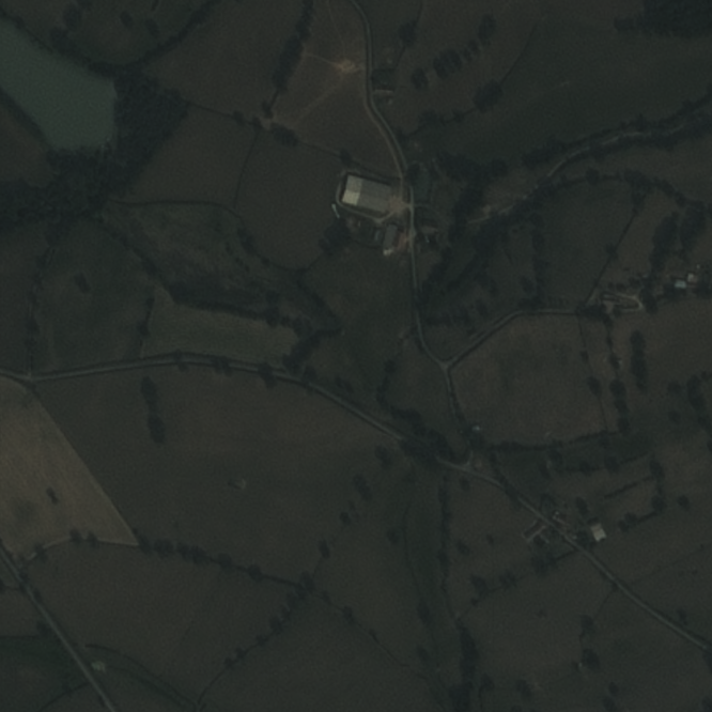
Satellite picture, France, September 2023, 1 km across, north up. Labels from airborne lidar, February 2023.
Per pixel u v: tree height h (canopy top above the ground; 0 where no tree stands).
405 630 0
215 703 0
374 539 0
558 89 0
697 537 0
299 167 0
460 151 0
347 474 0
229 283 0
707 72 0
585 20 0
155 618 0
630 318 0
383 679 0
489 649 0
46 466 0
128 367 0
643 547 0
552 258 0
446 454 14
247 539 0
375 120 0
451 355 0
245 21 0
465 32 0
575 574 0
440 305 0
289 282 0
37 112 0
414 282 0
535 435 0
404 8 0
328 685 0
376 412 0
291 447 0
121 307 0
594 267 0
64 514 0
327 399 0
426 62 0
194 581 0
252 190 0
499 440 0
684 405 0
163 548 14
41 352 0
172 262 0
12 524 0
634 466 0
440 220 0
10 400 0
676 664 0
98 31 0
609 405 0
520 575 0
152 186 0
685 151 0
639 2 0
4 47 0
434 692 0
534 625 0
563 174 0
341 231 17
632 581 0
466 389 0
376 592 0
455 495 0
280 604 0
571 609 0
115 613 0
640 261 0
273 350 0
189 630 0
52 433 0
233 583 0
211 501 0
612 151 8
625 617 0
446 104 0
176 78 0
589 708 0
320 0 0
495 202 0
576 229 0
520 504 17
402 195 0
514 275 0
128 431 0
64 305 0
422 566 0
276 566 0
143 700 0
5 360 0
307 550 0
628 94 0
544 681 0
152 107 9
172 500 0
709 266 0
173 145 0
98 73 11
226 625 0
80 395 0
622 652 0
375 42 0
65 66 0
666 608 0
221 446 0
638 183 17
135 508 0
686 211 0
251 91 0
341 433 0
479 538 0
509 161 0
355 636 0
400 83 0
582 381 0
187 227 0
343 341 0
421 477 0
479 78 0
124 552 0
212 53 0
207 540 0
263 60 0
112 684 0
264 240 0
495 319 0
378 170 0
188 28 6
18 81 0
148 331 15
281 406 0
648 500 0
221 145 0
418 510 0
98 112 0
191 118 0
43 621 0
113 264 0
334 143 0
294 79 0
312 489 0
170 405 0
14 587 0
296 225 0
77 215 7
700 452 0
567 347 0
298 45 14
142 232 0
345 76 0
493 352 0
